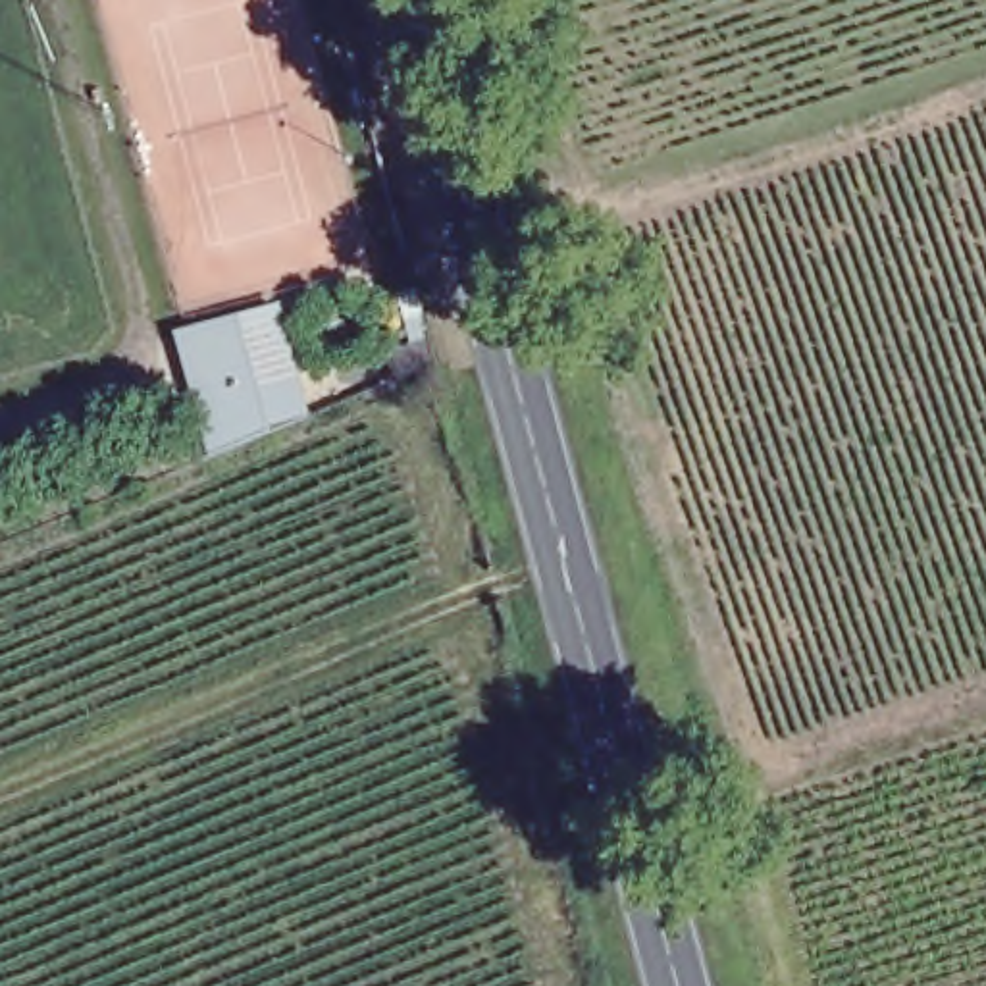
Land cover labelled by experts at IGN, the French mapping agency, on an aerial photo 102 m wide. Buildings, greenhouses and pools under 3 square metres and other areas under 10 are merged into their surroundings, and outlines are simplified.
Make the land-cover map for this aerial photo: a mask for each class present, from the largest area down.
<instances>
[{"label":"vineyard","instance_id":"1","mask_svg":"<svg viewBox=\"0 0 986 986\"><path fill-rule=\"evenodd\" d=\"M959 39H971L974 50H986V0H582V42L562 62V73L578 85L574 96L585 104V112H570L566 119L570 135L562 154V193L570 204L585 200L593 185L643 189L674 177L659 154L662 143L686 146L697 131L701 139H713L720 131H736L809 104H824L832 96H843L859 81L878 85L909 69L959 58ZM616 235L632 239L636 254L651 243V235L666 239L662 316L670 320L662 331L651 335L655 362L647 377L659 401V416L682 462V470L674 474V489L686 528L709 532L705 539H689L686 547L693 562L705 570L724 639L740 666L755 724L766 740L805 732L832 716H855L894 697H917L932 686H947L986 670V108H971L967 116L944 127H928L921 135L867 143V150L847 158H828L809 169L778 173L759 189L716 193L693 208H674V216L651 220L639 231L624 223ZM420 543L412 535L408 497L401 489L389 447H377L366 424H350L339 435L304 439L273 458L231 470L208 485L150 505L108 528L85 532L73 543L42 551L27 562L8 566L0 558V755L12 743H27L73 720L96 716L92 705L112 709L150 689H162L235 651L285 636L308 620L331 616L381 589H397V597L408 605L420 597H435L443 589L435 585V578L424 574V562L416 558ZM431 651L428 643L393 651L370 670L304 689L300 709L273 705L250 716L220 713L189 728L173 747L150 743L127 751L50 790L31 793L27 801L0 805V986H532V963H524V940L512 924L501 863L489 843L493 832L505 828V817L474 797V786L454 763L458 728L481 720V686L470 678L454 686V678L435 659L420 662ZM766 836L759 847L755 874L770 890L774 917L790 944V967L797 986H986V732H974L959 743L928 747L909 759H890L870 774L855 770L843 782L790 790L766 797L763 805Z\"/></svg>","mask_w":986,"mask_h":986},{"label":"herbaceous vegetation","instance_id":"2","mask_svg":"<svg viewBox=\"0 0 986 986\"><path fill-rule=\"evenodd\" d=\"M177 312V293L158 247L135 135L127 123V104L112 69L96 0H0V447L50 416L81 424L85 401L100 389H146L158 377L154 370L116 354L127 339V320H150L158 327L162 316ZM312 31L354 50V62L331 73L312 96L339 123L343 150L350 154L354 193L381 216V223L366 231L362 270H370L374 281L404 300L424 308V339H416L412 358L397 354L385 366L362 374L370 389L366 397L343 401L327 416H316L308 408L304 420L281 424L270 435L250 439L227 454L208 451L185 466H150L116 478L112 489H92V520H81L73 508H50L27 528H8L0 520V558L8 566L27 562L42 551L73 543L85 532L108 528L150 505L208 485L231 470L273 458L304 439L339 435L350 424H366L377 447H389L401 489L408 497L412 535L420 543L416 558L424 562V574L435 578V585L443 589L435 597H420L408 605L397 597V589H381L331 616L308 620L285 636L235 651L162 689H150L112 709L92 705L96 716L73 720L27 743H12L0 755V805L27 801L31 793L50 790L127 751L150 743L173 747L189 728L220 713L250 716L273 705L300 709L304 689L370 670L393 651L428 643L431 651L420 662L435 659L454 678V686L470 678L481 686V720L458 728L454 763L474 786V797L505 817V828L493 832L489 843L501 863L512 924L524 940V963H532V986H643L628 944V928L616 913L612 882H601V890L589 894L574 882L562 859L585 843V820L593 813V801L601 797V786L616 778L632 759H639L647 747L624 728V716L612 728L601 724L597 705H605V689L593 682V670L555 662L547 620L532 585L516 524V505L508 497L497 435L489 424L481 377L474 370L478 343L454 324L470 308L466 250L458 235L454 216L408 177V166L401 158L397 119L385 104L377 58L389 54L397 42L428 54L431 35L416 15H385L377 8L366 12V0H316L304 12ZM424 377L435 385L443 420V431H435L431 439L420 431V420L401 404L404 393L424 385ZM959 58L909 69L878 85L859 81L843 96H832L824 104H809L736 131H720L713 139H701L697 131L686 146L662 143L659 154L674 177L755 158L786 143H809L836 127H859L863 119H874L882 112L917 108L928 96L986 77V50H974L971 39H959ZM551 143L543 150V162L535 166L547 181L543 189L562 193V154L570 135L566 119L555 112V119L543 127ZM574 451L578 485L589 508L597 558L609 578L620 643L636 674V693L651 701L662 720H670L682 716L686 693H705L678 597L659 558L655 532L643 516L632 470L620 454L612 401L605 393H585L574 381H566L555 393ZM974 732L967 716H951L940 728L878 736L851 751H840L820 766L797 770L790 778V790L843 782L855 770L870 774L890 759H909L928 747L959 743ZM701 928L713 986H797L790 967V944L774 917L770 890L755 874L743 886L724 890L716 905L697 909L693 924Z\"/></svg>","mask_w":986,"mask_h":986},{"label":"deciduous trees","instance_id":"3","mask_svg":"<svg viewBox=\"0 0 986 986\"><path fill-rule=\"evenodd\" d=\"M377 8L385 15H416L431 35L428 54L397 42L389 54L377 58L385 104L397 119L401 158L435 150L454 173L458 189H470L478 196L508 193L516 200V208L524 212L520 223H501V231H493L489 223H470L458 235L466 250L470 308L454 324L478 343L512 347L520 370L555 377V393L566 381H574L585 393H605L612 401V389L620 385L624 370L647 377L655 362L651 335L662 331L670 320L662 316L666 239L651 235V243L636 254L632 239L616 235L624 223L612 212L597 216L585 200L570 204L562 193L543 189L547 181L535 166L543 162V150L551 143L543 127L555 119V112L566 119L570 112H585V104L574 96L578 85L562 73V62L582 42V0H366V12ZM404 300L374 281L347 277L339 289H312L281 324L293 362L308 374H362L385 366L397 354L401 331H389V320L401 312ZM208 416L189 385H162L158 377L146 389H100L85 401L81 424L50 416L0 447V520L8 528H27L50 508H73L81 520H92V489H112L116 478L150 466H185L208 451ZM401 404L420 420V431L431 439L435 431H443V420L435 385L424 377V385L404 393ZM736 755V743L720 732L716 705L705 693H686L682 716L670 720L659 743L647 747L639 759H632L616 778L601 786V797L593 801V813L585 820V843L562 859L574 882L589 894L601 890V882H628V901L639 913L659 917L666 940H682V932L693 924L697 909L716 905L724 890L743 886L755 874L759 847L766 836L763 805L743 774H732L728 763Z\"/></svg>","mask_w":986,"mask_h":986},{"label":"impervious surface","instance_id":"4","mask_svg":"<svg viewBox=\"0 0 986 986\"><path fill-rule=\"evenodd\" d=\"M316 0H96L112 69L127 104V123L135 135L158 247L177 293V312L185 327L250 312L262 304H277L281 324L312 289H339L347 277L374 281L370 270H362L366 231L381 223V216L354 193L350 154L343 150L339 123L312 96L331 73L354 62V50L312 31L304 12ZM408 166V177L454 216L458 235L470 223H489L493 231H501V223H520L524 212L516 208V200L508 193L478 196L470 189H458L454 173L435 150L401 158ZM389 331H401L397 354L412 358L416 339H424V308L404 300L401 312L389 320ZM474 370L481 377L489 424L497 435L508 497L516 505V524L532 585L547 620L555 662L593 670V682L605 689V705H597L601 724L612 728L624 716V728L647 747L659 743L670 720H662L651 701L636 693V674L620 643L609 578L597 558L589 508L578 485L574 451L555 393V377L520 370L512 347L478 343ZM304 397L312 401L308 408L316 416H327L343 401L366 397L370 389L362 374H308L300 381ZM616 913L628 928V944L643 986H713L701 928L693 924L682 932V940H666L659 917L639 913L628 901V882H612Z\"/></svg>","mask_w":986,"mask_h":986},{"label":"bare soil","instance_id":"5","mask_svg":"<svg viewBox=\"0 0 986 986\"><path fill-rule=\"evenodd\" d=\"M620 454L632 470L643 516L655 532L659 558L678 597L705 693L716 705L720 732L736 743V755L728 763L732 774H743L763 805L766 797L790 790V778L797 770L820 766L840 751H851L878 736L940 728L951 716H967L974 732H986V670L947 686H932L917 697H894L855 716H832L805 732L766 740L755 724L740 666L724 639L705 570L693 562L686 547L689 539H705L709 532L686 528L674 489V474L682 470V462L659 416V401L647 377L624 370L620 385L612 389V401Z\"/></svg>","mask_w":986,"mask_h":986},{"label":"pervious surface","instance_id":"6","mask_svg":"<svg viewBox=\"0 0 986 986\"><path fill-rule=\"evenodd\" d=\"M971 108H986V77L928 96L917 108L882 112L874 119H863L859 127H836L809 143H786L755 158L674 177L643 189L593 185L585 200L597 216L612 212L624 223L639 231L651 220L674 216V208H693L716 193L759 189L778 173L809 169L828 158H847L867 150V143L921 135L928 127H944L967 116ZM177 327H185L177 312L162 316L158 327L150 320H127V339L116 354L154 370L158 377L162 385H189L177 350Z\"/></svg>","mask_w":986,"mask_h":986},{"label":"building","instance_id":"7","mask_svg":"<svg viewBox=\"0 0 986 986\"><path fill-rule=\"evenodd\" d=\"M177 350L189 385L208 416V451L227 454L250 439L270 435L281 424L304 420L308 408L312 401L304 397L300 381L308 374L293 362L281 324L277 304H262L250 312L185 327H177Z\"/></svg>","mask_w":986,"mask_h":986}]
</instances>
